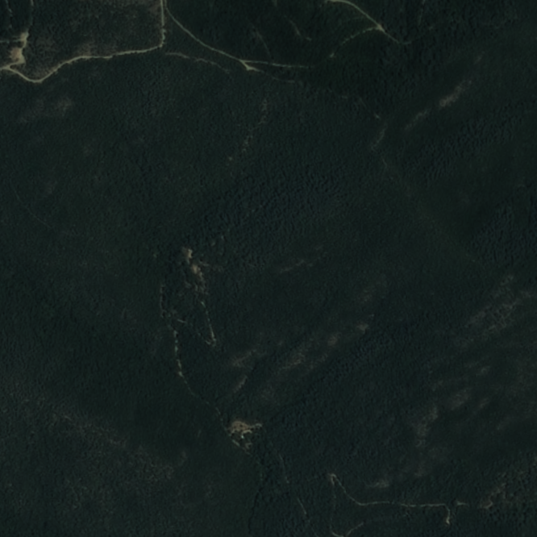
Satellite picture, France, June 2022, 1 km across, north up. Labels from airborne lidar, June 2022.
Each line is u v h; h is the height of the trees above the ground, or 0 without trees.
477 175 7
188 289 8
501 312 5
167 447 6
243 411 8
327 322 5
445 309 6
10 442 6
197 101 8
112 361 8
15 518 12
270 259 12
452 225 7
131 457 8
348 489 8
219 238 17
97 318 6
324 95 9
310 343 5
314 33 8
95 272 7
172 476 7
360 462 8
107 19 8
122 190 13
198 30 6
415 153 5
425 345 5
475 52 11
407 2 6
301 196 16
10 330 6
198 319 8
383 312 7
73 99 7
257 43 16
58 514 13
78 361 11
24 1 7
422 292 6
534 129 7
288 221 14
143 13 6
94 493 8
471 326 7
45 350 11
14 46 7
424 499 6
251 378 6
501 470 9
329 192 17
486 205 8
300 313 8
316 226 9
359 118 8
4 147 7
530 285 12
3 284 8
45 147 7
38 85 7
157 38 11
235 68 8
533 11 9
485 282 6
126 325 5
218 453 6
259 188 13
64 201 9
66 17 8
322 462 7
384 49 17
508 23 9
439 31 12
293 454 8
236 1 8
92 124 8
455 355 5
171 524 8
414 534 10
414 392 9
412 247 8
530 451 6
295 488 11
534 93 9
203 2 13
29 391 8
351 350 10
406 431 5
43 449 11
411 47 7
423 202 6
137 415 7
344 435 7
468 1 6
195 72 6
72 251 7
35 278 6
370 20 5
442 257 5
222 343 6
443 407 9
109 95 10
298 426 14
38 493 9
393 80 9
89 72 7
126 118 14
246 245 7
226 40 8
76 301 11
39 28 7
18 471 6
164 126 9
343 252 7
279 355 7
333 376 8
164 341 5
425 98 7
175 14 8
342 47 8
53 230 6
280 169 11
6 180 9
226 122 8
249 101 11
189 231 14
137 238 11
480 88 7
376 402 7
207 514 8
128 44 7
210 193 9
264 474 7
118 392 10
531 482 16
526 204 12
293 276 6
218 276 7
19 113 7
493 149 7
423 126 7
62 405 13
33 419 10
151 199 11
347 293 8
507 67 7
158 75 14
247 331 10
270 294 6
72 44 7
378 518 13
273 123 10
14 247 7
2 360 12
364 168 13
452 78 10
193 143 9
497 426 6
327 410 9
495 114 12
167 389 7
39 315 12
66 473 8
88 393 7
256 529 10
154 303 11
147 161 13
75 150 7
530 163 8
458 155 15
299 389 10
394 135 7
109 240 10
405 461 8
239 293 11
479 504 11
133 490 8
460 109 8
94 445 11
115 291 5
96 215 8
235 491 6
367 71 7
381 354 8
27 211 10
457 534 9
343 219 8
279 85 9
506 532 6
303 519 13
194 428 7
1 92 7
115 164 10
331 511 7
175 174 11
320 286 6
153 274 6
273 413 13
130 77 7
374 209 8
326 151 6
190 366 7
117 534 12
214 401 9
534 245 14
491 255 11
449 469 5
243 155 11
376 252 6
